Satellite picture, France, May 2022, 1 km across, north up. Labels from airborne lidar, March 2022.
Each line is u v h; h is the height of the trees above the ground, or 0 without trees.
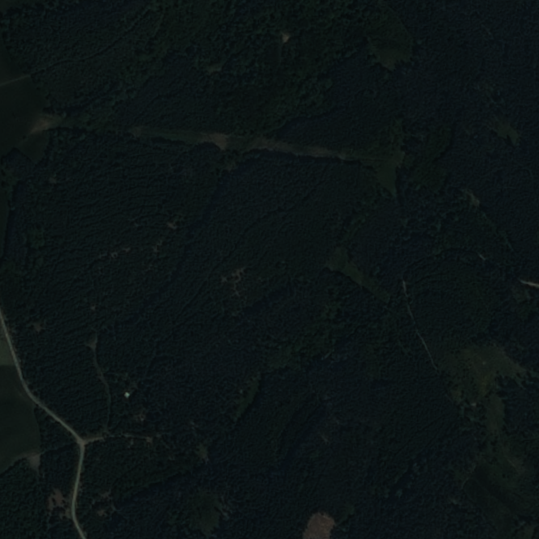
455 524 21
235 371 26
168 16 10
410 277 13
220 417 31
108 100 28
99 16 22
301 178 22
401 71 29
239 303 8
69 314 10
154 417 16
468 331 17
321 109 14
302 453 28
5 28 14
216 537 24
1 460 0
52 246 8
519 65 38
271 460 13
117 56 12
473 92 35
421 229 30
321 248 18
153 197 12
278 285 9
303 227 17
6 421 0
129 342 23
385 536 41
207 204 8
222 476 32
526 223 24
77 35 13
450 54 20
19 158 22
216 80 7
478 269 16
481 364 0
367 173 24
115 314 10
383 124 18
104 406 12
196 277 21
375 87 16
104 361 15
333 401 28
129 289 6
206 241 21
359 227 27
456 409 14
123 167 10
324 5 21
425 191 30
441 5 37
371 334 14
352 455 28
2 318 0
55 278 11
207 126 17
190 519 9
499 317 13
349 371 26
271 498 28
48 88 8
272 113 21
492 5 35
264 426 14
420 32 23
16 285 8
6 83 0
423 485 31
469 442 30
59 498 0
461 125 35
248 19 20
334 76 26
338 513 34
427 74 33
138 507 25
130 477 8
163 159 13
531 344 22
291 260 17
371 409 33
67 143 17
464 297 9
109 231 9
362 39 10
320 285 20
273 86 18
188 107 18
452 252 17
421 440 15
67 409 15
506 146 33
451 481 31
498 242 11
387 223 28
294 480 27
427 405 18
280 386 25
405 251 28
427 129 33
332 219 22
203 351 29
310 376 28
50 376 16
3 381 0
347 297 18
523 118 27
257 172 22
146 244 9
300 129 23
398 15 19
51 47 9
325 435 28
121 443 7
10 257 18
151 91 21
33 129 0
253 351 30
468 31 36
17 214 20
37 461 0
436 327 14
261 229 17
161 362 18
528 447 10
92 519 7
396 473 20
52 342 13
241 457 18
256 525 28
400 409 18
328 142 17
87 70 6
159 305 20
